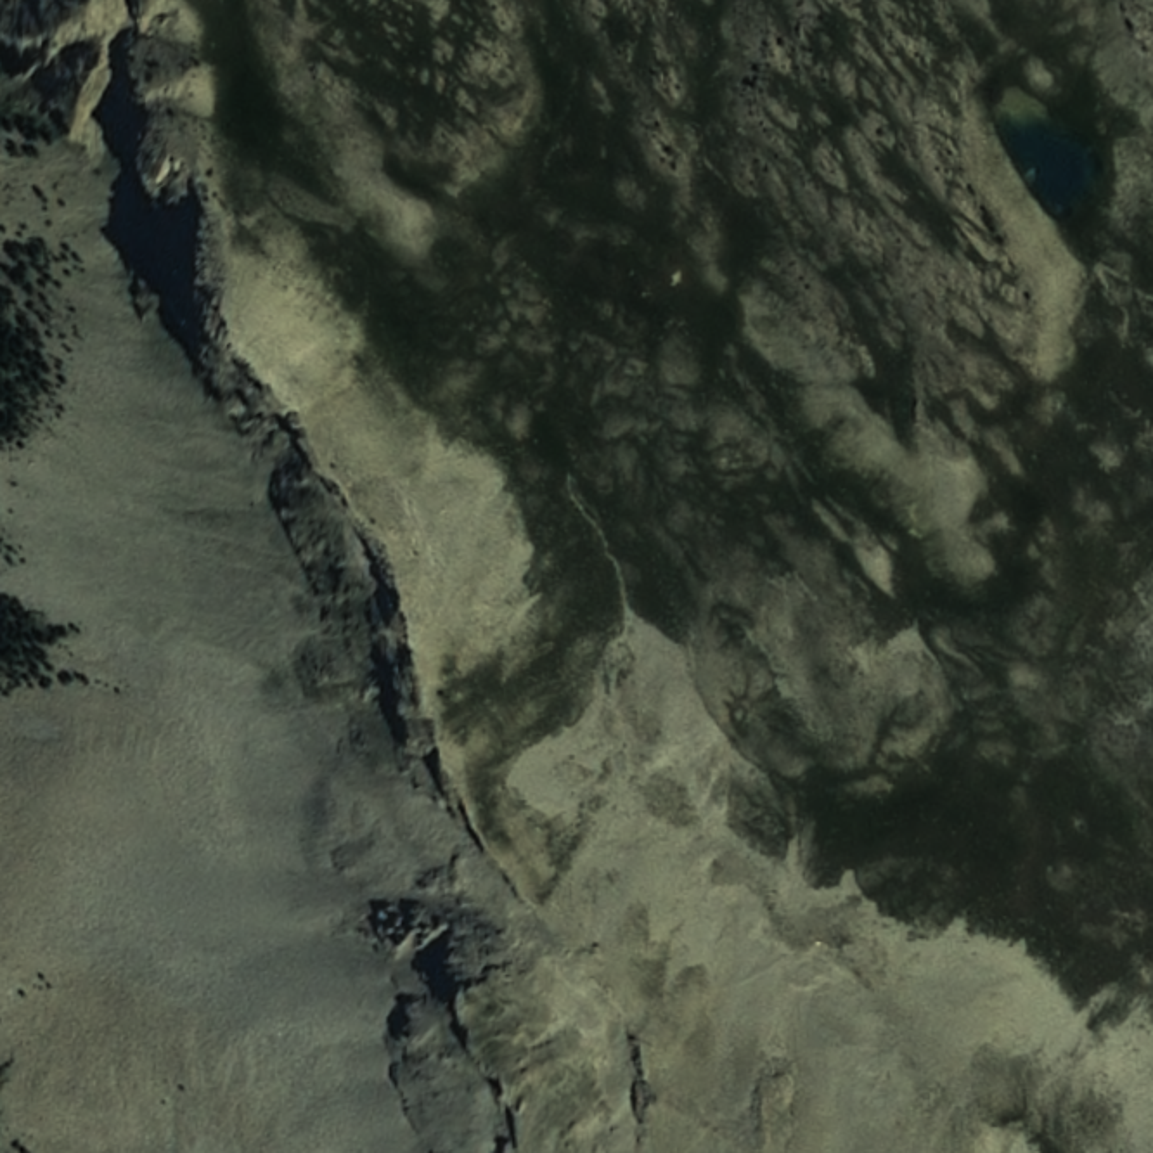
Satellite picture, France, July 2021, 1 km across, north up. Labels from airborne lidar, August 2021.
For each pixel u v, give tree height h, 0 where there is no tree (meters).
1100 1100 0
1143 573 0
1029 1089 0
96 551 0
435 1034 0
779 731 0
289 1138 0
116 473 0
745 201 0
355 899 0
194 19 0
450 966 0
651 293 0
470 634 0
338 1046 0
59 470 0
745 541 0
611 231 0
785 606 0
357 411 0
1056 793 0
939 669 0
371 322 0
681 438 0
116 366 0
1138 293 0
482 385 0
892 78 0
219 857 0
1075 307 0
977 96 0
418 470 0
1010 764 0
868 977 0
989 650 0
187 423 0
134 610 0
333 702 0
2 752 0
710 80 0
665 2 0
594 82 0
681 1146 0
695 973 0
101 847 0
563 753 0
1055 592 0
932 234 0
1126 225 0
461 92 0
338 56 0
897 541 0
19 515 0
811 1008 0
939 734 0
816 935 0
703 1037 0
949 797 0
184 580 0
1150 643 0
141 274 0
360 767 0
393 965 0
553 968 0
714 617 0
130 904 0
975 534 0
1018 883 0
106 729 0
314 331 0
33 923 0
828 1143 0
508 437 0
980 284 0
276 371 0
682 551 0
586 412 0
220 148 0
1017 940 0
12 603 7
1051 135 0
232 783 0
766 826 0
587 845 0
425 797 0
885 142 0
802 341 0
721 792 0
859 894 0
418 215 0
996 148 0
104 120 0
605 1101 0
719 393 0
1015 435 0
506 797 0
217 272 0
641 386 0
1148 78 0
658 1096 0
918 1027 0
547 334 0
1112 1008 0
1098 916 0
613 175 0
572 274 0
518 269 0
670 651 0
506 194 0
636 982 0
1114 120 0
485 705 0
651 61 0
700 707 0
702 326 0
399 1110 0
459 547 0
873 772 0
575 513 0
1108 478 0
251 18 0
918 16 0
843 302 0
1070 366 0
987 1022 0
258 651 0
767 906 0
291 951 0
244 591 0
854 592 0
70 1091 0
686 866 0
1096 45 0
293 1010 0
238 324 0
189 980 0
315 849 0
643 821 0
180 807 0
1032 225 0
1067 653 0
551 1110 0
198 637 0
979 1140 0
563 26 0
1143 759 0
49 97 0
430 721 0
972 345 0
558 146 0
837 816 0
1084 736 0
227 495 0
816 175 0
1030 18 0
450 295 0
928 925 0
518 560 0
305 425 0
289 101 0
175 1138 0
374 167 0
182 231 0
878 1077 0
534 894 0
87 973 0
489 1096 0
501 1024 0
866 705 0
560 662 0
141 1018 0
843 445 0
